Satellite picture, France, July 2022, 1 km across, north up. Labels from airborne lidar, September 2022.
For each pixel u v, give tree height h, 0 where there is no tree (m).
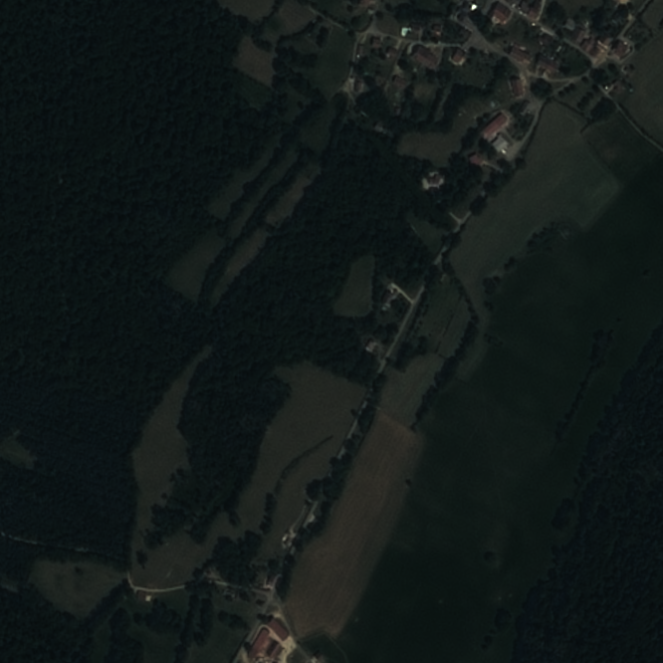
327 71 0
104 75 18
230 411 15
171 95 22
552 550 0
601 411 0
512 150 0
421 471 0
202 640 19
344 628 0
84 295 20
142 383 14
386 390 0
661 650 31
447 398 0
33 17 18
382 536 0
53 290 20
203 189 16
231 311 19
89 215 17
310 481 0
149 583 0
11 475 15
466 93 16
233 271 0
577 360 0
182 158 16
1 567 15
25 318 20
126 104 12
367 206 15
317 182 12
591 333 0
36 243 15
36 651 19
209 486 22
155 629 19
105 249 22
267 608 0
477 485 0
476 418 0
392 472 0
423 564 0
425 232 0
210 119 22
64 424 14
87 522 15
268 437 0
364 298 0
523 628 22
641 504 24
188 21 24
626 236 0
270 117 21
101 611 19
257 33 20
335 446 0
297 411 0
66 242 18
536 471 0
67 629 19
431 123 9
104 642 0
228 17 22
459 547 0
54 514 17
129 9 22
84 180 20
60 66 12
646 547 21
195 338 16
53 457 16
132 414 19
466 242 0
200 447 17
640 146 0
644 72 0
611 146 0
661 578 32
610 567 22
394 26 0
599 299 0
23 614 20
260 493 0
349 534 0
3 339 21
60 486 16
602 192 0
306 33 6
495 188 16
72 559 11
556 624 25
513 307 0
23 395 15
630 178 0
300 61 15
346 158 8
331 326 18
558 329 0
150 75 23
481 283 0
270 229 15
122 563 13
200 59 19
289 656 0
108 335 21
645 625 26
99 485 18
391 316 0
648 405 22
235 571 17
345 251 17
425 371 0
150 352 23
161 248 20
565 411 0
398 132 16
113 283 18
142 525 0
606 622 24
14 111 15
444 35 7
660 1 0
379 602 0
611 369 0
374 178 18
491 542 0
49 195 21
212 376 21
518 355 0
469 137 13
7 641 15
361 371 14
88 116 25
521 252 0
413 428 9
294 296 22
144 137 9
